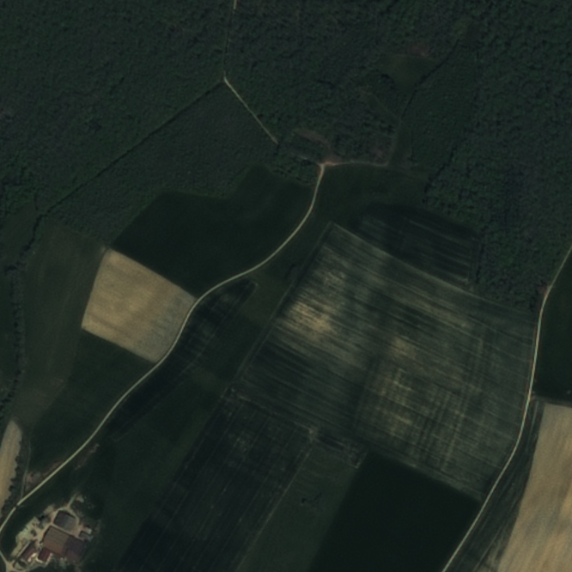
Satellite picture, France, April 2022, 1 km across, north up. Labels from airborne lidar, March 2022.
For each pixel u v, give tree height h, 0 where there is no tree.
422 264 0
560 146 24
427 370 0
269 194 0
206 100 12
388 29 28
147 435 0
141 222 0
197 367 0
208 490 0
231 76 19
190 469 0
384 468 0
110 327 0
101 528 0
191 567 0
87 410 0
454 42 21
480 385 0
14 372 0
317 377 0
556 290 0
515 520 0
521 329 0
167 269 0
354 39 13
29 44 24
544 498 0
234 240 0
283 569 0
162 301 0
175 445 0
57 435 0
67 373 0
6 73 22
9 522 0
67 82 23
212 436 0
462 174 24
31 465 0
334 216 0
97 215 14
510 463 0
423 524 0
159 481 0
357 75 21
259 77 23
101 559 0
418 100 10
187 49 25
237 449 0
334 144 7
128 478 0
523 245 20
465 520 0
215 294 0
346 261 0
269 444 0
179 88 22
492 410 0
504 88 26
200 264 0
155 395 0
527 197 22
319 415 0
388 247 0
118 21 23
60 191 17
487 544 0
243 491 0
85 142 21
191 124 13
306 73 20
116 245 0
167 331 0
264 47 24
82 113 24
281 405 0
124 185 14
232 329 0
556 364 0
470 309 0
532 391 0
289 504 0
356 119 28
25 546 0
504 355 0
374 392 0
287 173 18
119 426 0
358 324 0
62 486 0
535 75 22
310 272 0
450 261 0
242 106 13
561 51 19
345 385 0
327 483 0
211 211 0
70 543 0
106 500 0
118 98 24
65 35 23
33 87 21
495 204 21
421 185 0
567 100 22
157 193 10
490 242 20
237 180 14
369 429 0
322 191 0
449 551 0
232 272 0
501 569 0
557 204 22
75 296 0
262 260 0
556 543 0
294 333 0
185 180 14
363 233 0
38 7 25
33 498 0
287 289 0
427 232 0
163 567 0
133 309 0
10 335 0
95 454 0
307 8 25
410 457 0
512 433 0
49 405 0
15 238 0
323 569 0
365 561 0
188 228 0
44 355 0
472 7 23
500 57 25
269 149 16
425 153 9
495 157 23
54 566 0
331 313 0
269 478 0
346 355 0
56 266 0
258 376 0
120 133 22
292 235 0
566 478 0
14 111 24
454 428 0
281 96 20
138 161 14
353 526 0
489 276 16
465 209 17
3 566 0
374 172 0
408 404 0
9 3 26
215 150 14
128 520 0
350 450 0
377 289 0
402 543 0
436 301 0
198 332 0
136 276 0
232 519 0
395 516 0
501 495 0
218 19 24
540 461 0
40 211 13
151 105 22
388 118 0
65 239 0
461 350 0
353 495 0
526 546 0
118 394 0
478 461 0
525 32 22
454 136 10
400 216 0
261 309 0
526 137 21
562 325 0
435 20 17
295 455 0
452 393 0
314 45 24
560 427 0
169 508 0
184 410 0
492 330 0
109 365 0
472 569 0
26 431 0
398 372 0
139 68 23
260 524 0
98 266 0
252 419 0
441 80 9
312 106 27
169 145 12
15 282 18
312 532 0
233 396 0
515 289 20
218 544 0
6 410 11
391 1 31
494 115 23
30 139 23
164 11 26
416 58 0
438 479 0
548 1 22
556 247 22
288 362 0
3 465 0
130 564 0
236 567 0
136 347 0
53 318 0
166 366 0
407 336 0
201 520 0
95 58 25
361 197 0
